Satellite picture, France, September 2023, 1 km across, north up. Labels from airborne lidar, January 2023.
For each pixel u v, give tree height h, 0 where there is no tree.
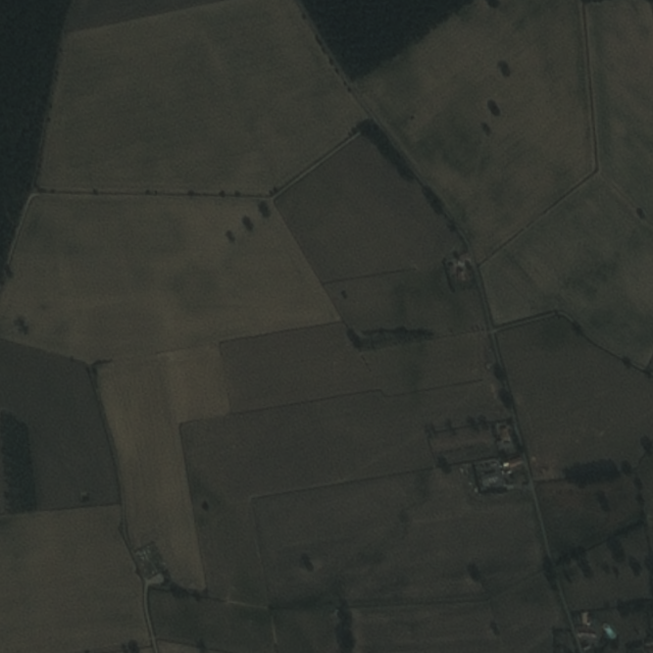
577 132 0
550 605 0
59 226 0
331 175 0
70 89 0
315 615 0
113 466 0
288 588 0
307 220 0
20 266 0
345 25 13
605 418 0
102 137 0
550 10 0
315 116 0
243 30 0
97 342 0
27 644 0
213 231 0
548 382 0
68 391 0
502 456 12
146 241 0
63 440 0
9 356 0
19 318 0
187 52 0
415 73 0
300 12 0
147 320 0
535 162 0
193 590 0
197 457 0
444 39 0
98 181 0
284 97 0
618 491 0
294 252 0
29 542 0
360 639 0
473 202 0
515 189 0
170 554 0
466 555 0
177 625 0
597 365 0
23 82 17
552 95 0
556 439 0
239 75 0
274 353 0
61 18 13
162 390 0
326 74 0
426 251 0
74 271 0
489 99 0
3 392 0
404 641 0
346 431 0
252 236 0
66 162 0
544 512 0
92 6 0
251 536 0
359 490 0
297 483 0
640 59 0
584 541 0
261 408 0
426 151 0
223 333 0
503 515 0
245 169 0
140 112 0
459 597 0
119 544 0
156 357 0
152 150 0
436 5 20
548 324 0
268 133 0
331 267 0
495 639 0
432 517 0
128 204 0
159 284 0
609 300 0
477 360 0
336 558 0
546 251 0
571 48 0
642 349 0
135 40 0
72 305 0
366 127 11
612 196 0
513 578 0
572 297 0
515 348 0
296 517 0
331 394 0
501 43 0
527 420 0
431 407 0
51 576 0
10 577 0
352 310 0
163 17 0
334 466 0
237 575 0
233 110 0
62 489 0
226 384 0
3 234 12
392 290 0
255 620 0
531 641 0
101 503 0
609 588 0
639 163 0
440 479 0
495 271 0
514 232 0
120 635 0
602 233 0
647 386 0
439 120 0
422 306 0
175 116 0
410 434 0
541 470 0
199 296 0
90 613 0
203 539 0
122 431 0
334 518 0
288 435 0
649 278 0
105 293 0
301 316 0
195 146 0
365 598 0
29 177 7
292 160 0
